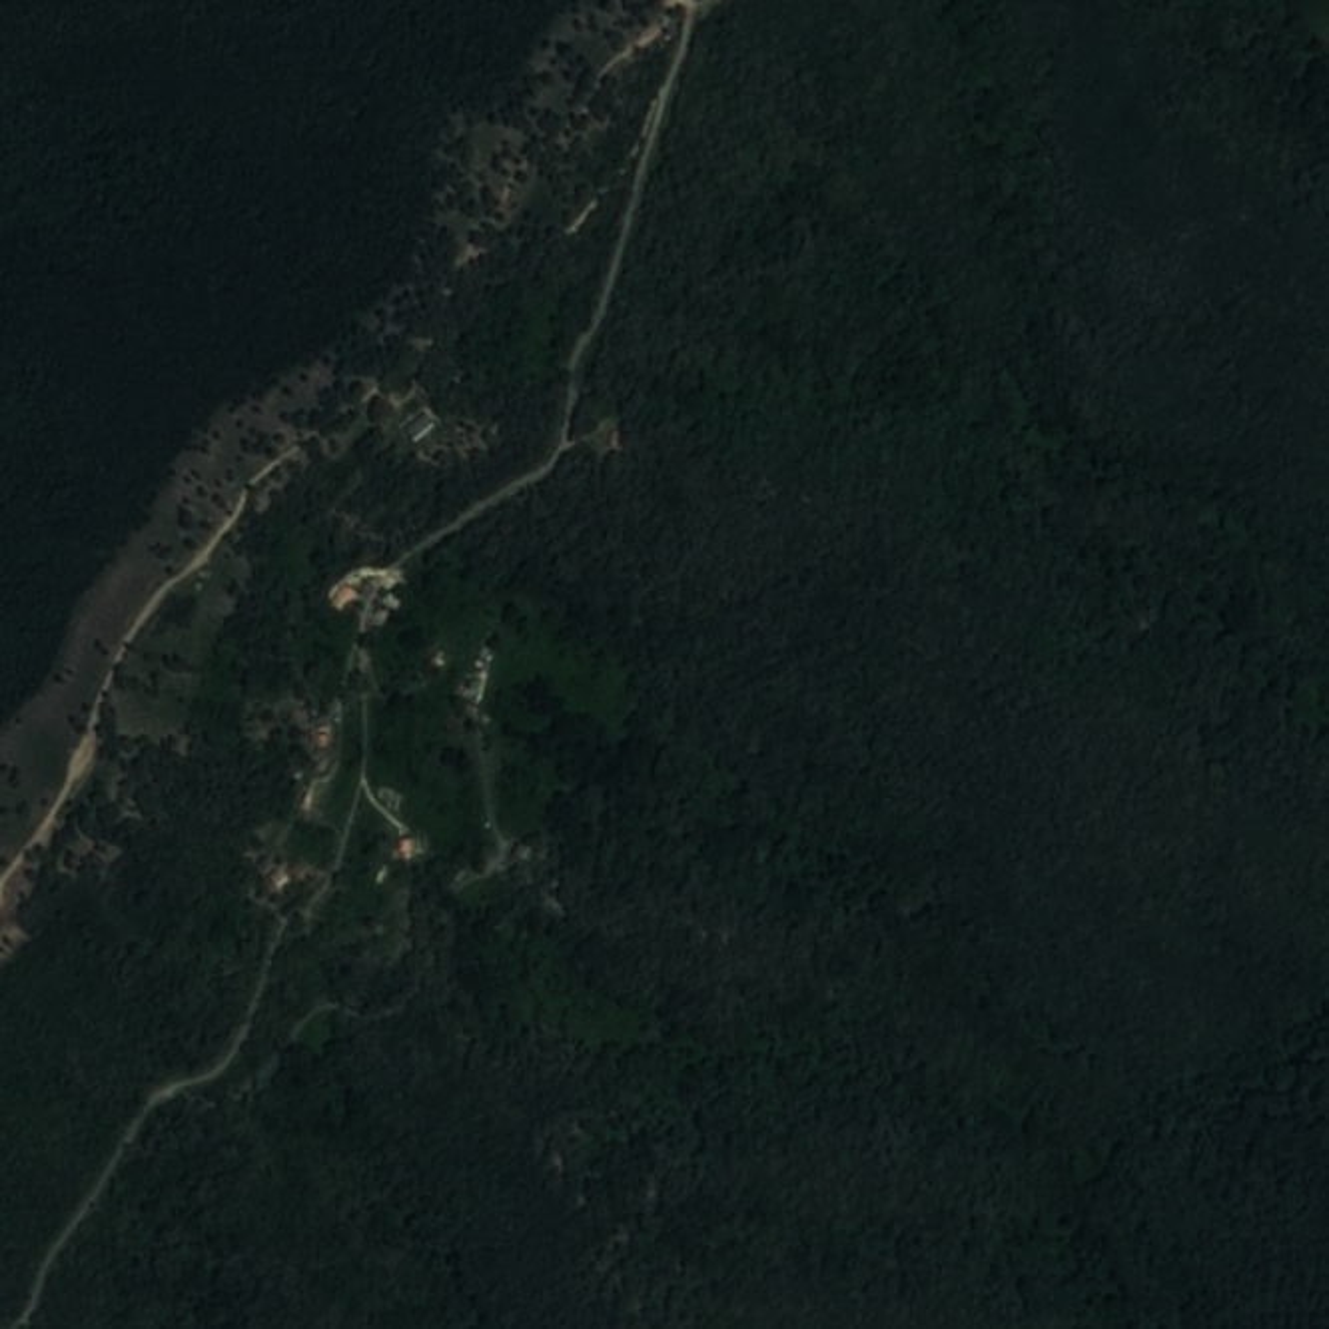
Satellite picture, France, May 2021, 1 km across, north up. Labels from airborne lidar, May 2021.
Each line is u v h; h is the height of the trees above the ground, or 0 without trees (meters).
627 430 10
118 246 17
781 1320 11
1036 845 10
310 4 13
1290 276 9
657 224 13
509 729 9
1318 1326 14
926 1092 24
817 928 10
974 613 8
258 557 9
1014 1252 18
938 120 9
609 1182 12
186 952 11
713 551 11
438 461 10
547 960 17
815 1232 14
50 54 12
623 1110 19
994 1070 14
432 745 10
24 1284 7
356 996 13
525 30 9
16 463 15
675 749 21
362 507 9
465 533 14
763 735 9
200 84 10
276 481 8
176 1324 13
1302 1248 7
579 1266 11
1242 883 13
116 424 10
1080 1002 10
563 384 14
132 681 8
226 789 15
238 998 10
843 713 10
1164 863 9
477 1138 13
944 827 15
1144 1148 13
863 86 8
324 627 8
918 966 16
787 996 14
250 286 13
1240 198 7
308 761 9
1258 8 8
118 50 13
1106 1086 11
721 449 8
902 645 7
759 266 13
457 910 8
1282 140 11
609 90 9
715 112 12
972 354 13
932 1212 12
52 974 7
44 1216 8
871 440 8
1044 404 22
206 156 13
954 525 15
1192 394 7
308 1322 10
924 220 10
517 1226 9
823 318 12
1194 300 8
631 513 13
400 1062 7
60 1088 11
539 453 11
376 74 11
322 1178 11
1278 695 25
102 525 10
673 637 9
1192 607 20
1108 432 14
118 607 0
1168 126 7
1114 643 15
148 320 12
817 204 14
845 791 7
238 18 12
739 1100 17
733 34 8
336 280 12
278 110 10
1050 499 16
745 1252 6
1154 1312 15
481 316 18
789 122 12
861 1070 13
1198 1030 6
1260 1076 17
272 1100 12
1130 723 10
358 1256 8
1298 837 8
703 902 14
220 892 12
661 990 14
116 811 13
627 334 14
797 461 8
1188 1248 10
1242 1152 15
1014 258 12
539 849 12
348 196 14
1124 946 8
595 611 8
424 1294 17
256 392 7
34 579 7
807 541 9
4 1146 9
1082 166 7
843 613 11
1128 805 12
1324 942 8
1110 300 8
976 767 9
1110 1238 14
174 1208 8
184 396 11
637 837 17
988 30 13
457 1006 17
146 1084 12
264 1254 11
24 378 10
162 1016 8
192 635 0
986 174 14
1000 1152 13
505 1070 10
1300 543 10
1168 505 6
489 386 8
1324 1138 20
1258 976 14
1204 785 8
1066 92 8
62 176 12
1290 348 6
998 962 16
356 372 9
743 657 9
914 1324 11
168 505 0
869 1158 11
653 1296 14
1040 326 20
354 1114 19
